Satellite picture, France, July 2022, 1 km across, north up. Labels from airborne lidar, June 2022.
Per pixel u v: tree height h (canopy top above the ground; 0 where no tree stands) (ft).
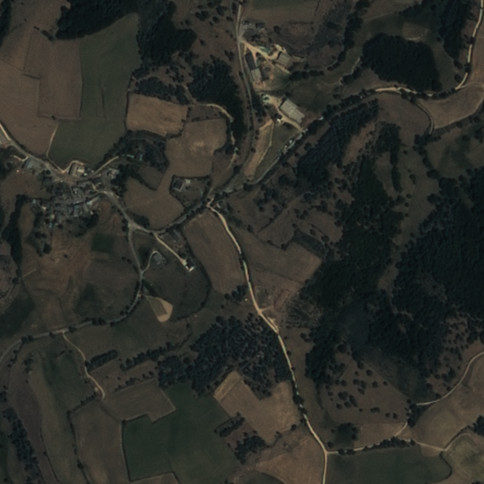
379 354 0
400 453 0
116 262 0
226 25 0
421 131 0
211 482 0
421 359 49
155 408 0
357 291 64
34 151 0
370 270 54
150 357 47
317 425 0
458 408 0
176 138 0
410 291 55
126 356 0
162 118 0
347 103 33
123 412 0
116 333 0
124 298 0
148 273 0
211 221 0
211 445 0
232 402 0
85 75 0
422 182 0
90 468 0
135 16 0
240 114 32
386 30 0
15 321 0
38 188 0
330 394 23
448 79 0
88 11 68
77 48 0
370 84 0
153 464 0
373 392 0
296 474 0
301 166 47
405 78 64
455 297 33
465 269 65
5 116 0
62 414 0
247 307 0
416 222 0
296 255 0
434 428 0
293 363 0
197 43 0
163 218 0
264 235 0
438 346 47
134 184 0
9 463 0
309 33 0
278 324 0
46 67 0
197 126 0
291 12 0
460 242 50
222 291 0
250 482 0
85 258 0
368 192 47
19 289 0
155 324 0
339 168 28
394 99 0
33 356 0
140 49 22
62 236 0
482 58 0
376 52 78
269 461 0
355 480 0
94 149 0
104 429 0
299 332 0
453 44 69
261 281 0
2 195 0
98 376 0
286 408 0
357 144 0
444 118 0
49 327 0
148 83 47
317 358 59
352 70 0
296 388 35
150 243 0
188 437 0
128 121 0
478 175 55
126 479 0
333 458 0
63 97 0
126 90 0
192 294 0
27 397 0
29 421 0
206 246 0
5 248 0
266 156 0
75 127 0
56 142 0
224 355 37
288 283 0
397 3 0
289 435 0
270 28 0
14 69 0
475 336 26
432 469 0
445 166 0
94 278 0
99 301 0
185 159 0
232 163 0
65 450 0
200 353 56
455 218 47
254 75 0
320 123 39
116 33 0
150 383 0
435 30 0
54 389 0
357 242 41
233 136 27
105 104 0
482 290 66
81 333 0
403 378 0
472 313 32
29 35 0
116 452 0
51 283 0
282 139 0
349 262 48
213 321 0
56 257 0
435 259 59
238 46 0
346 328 0
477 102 0
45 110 0
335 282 53
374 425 0
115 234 0
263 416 0
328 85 0
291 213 0
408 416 26
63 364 0
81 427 0
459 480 0
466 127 0
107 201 0
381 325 39
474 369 0
